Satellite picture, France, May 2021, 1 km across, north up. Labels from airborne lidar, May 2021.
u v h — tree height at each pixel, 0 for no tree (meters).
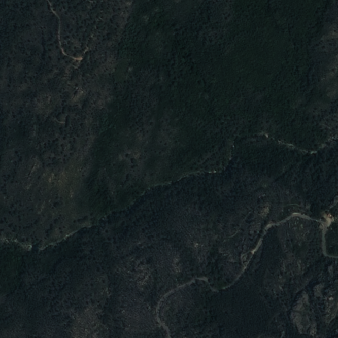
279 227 17
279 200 22
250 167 16
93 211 8
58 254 7
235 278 25
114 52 11
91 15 17
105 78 9
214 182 19
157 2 12
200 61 18
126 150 5
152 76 14
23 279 24
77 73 10
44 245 7
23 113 21
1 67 25
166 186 10
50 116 11
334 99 10
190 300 22
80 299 7
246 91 20
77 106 12
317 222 17
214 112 16
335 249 25
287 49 10
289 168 10
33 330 27
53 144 20
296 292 20
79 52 16
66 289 25
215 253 22
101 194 21
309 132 15
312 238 17
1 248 11
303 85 16
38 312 27
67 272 21
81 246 19
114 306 25
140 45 10
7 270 8
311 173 8
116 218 32
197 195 8
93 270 22
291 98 13
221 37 11
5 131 23
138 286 22
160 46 10
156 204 22
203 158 19
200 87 16
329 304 10
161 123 7
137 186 11
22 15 24
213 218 25
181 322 20
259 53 12
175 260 16
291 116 23
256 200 19
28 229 28
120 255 6
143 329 19
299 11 12
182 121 13
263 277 18
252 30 7
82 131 11
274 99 12
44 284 23
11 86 13
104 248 27
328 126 21
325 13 25
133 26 11
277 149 24
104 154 9
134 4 20
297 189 6
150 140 7
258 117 20
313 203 13
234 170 21
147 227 6
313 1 8
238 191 20
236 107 21
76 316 21
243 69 8
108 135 7
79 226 8
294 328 18
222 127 10
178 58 18
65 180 0
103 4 20
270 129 9
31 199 15
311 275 23
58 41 15
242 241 6
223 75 7
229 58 9
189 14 6
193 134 12
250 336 20
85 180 5
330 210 7
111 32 12
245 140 25
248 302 23
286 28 19
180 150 11
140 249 20
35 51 9
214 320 9
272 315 17
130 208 8
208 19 8
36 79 13
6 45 28
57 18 19
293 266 15
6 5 28
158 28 12
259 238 7
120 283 26
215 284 25
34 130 6
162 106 5
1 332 25
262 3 18
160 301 15
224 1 20
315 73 20
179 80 18
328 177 6
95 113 11
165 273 21
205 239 18
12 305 24
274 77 10
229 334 20
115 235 10
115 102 11
